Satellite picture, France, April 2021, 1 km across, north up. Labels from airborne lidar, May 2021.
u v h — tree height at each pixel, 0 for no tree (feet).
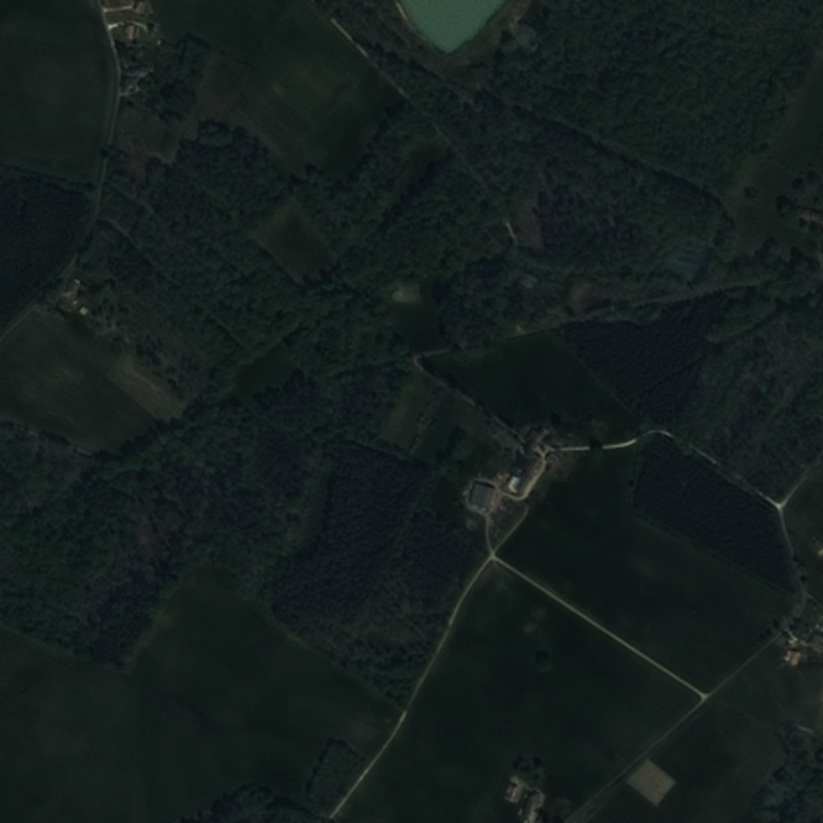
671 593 0
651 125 75
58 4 0
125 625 56
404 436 0
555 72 60
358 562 57
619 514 0
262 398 0
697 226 54
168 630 0
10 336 0
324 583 59
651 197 67
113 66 0
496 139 52
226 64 0
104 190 19
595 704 0
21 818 0
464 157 69
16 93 0
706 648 0
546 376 0
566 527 0
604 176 79
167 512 93
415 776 0
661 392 37
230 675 0
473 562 34
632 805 0
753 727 0
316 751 0
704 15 57
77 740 0
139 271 70
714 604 0
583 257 97
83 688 0
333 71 0
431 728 0
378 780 0
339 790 40
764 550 36
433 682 0
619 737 0
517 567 0
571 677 0
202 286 51
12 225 45
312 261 0
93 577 38
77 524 74
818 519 0
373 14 48
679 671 0
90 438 0
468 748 0
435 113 48
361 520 66
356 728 0
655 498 38
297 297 78
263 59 0
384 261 66
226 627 0
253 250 76
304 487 50
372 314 96
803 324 94
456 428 0
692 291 44
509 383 0
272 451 45
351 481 66
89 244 32
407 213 67
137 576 24
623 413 0
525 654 0
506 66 69
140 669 0
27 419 0
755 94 67
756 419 73
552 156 76
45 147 0
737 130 77
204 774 0
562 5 62
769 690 0
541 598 0
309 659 0
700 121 50
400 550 42
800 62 55
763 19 43
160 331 37
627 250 71
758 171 0
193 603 0
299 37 0
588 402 0
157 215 58
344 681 0
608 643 0
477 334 83
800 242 0
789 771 33
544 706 0
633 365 40
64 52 0
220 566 26
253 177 81
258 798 37
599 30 85
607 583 0
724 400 44
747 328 48
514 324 54
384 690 61
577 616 0
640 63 73
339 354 62
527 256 60
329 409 56
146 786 0
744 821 0
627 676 0
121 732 0
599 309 41
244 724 0
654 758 0
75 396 0
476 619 0
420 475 67
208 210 82
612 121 66
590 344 38
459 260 86
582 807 0
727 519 37
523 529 0
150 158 0
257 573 44
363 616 61
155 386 0
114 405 0
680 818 0
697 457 28
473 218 83
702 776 0
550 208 94
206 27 0
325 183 41
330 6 39
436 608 72
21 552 57
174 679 0
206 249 80
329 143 0
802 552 0
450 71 0
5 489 44
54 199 40
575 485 0
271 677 0
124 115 0
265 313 35
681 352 37
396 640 39
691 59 78
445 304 90
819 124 0
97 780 0
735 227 65
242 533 77
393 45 51
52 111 0
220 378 64
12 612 64
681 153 92
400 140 51
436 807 0
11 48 0
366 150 0
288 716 0
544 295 56
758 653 0
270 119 0
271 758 0
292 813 70
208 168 86
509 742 0
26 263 30
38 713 0
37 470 60
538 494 22
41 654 0
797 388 43
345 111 0
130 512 71
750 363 66
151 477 87
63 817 0
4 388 0
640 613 0
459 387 61
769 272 83
